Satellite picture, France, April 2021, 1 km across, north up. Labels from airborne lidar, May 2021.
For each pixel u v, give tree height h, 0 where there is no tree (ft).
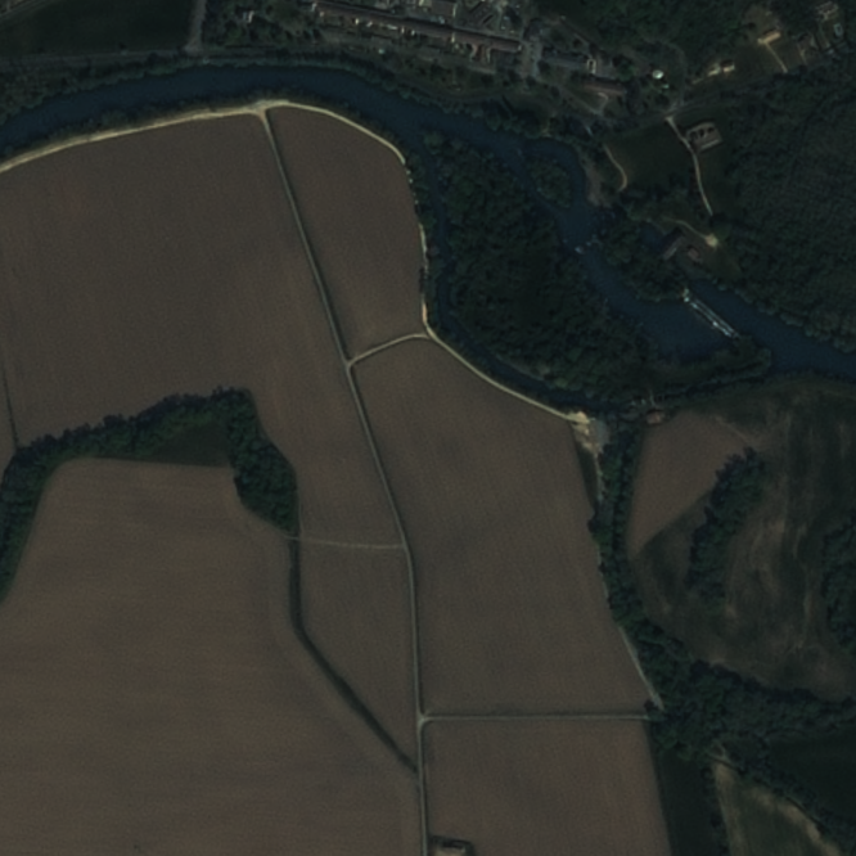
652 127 0
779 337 0
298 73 0
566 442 0
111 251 0
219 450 0
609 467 59
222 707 0
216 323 0
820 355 0
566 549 0
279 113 0
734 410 0
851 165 20
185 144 0
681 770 0
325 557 0
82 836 0
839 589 60
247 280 0
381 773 0
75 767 0
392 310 0
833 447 0
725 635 0
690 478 0
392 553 0
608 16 44
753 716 83
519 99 0
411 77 0
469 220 46
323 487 0
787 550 0
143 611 0
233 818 0
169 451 0
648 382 0
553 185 70
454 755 0
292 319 0
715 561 67
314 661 0
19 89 91
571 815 0
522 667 0
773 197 44
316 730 0
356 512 0
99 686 0
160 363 0
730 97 29
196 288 0
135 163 0
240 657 0
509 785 0
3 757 0
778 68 0
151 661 0
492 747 0
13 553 68
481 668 0
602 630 0
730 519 65
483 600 0
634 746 0
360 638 0
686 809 0
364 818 0
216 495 0
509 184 25
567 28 0
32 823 0
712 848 0
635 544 0
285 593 0
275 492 81
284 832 0
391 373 0
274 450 31
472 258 60
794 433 0
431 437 0
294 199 0
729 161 0
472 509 0
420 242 0
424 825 0
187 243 0
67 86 37
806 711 62
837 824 49
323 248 0
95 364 0
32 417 0
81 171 0
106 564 0
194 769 0
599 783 0
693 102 32
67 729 0
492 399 0
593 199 0
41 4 0
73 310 0
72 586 0
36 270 0
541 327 25
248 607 0
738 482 73
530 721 0
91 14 0
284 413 0
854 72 47
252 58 22
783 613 0
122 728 0
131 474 0
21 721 0
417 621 0
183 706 0
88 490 0
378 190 0
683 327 0
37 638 0
